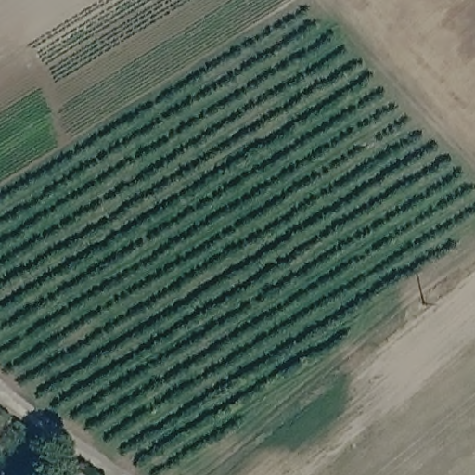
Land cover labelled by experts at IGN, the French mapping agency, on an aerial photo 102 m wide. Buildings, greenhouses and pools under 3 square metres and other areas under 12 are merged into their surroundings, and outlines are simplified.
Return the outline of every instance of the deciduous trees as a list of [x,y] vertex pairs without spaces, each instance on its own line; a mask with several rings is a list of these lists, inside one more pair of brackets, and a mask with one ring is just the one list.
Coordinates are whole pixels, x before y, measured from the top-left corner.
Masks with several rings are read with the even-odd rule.
[[221,237],[236,232],[239,226],[260,217],[297,189],[314,182],[315,178],[325,176],[334,167],[353,158],[354,154],[362,152],[364,147],[354,145],[330,161],[323,169],[317,169],[295,180],[275,197],[265,200],[262,206],[241,215],[232,225],[225,226],[221,232],[208,237],[197,247],[187,250],[186,254],[178,254],[174,260],[163,263],[143,280],[122,289],[121,293],[115,293],[104,304],[85,312],[78,319],[71,321],[67,327],[35,343],[32,349],[24,351],[15,360],[6,362],[2,371],[7,373],[13,367],[24,364],[52,343],[58,343],[76,328],[82,327],[83,323],[96,317],[102,310],[108,310],[113,304],[130,297],[137,289],[145,288],[160,276],[167,275],[180,263],[199,256],[200,252],[210,249]]
[[245,95],[269,76],[284,71],[293,61],[312,54],[319,46],[327,43],[334,30],[328,28],[312,45],[291,52],[289,56],[260,72],[245,85],[215,100],[208,108],[200,109],[197,115],[189,117],[187,121],[180,122],[163,137],[137,148],[135,154],[122,158],[106,171],[87,180],[83,186],[72,189],[71,193],[54,200],[50,206],[33,213],[30,219],[22,221],[13,230],[0,234],[0,245],[20,236],[26,228],[41,221],[48,213],[56,212],[59,206],[80,197],[95,186],[100,186],[109,176],[119,173],[126,165],[165,145],[174,135],[182,134],[195,122],[202,121],[217,109]]
[[195,71],[161,89],[158,95],[137,104],[117,119],[104,124],[100,130],[85,137],[80,143],[74,143],[74,147],[65,150],[59,152],[56,158],[43,163],[41,167],[20,176],[13,184],[7,184],[0,189],[0,200],[6,199],[7,195],[11,195],[20,187],[30,184],[41,174],[48,173],[59,163],[91,147],[100,137],[108,135],[121,124],[134,121],[143,111],[152,108],[154,104],[160,104],[163,98],[180,91],[204,72],[212,71],[213,67],[217,67],[226,59],[234,58],[243,48],[254,45],[256,41],[282,28],[289,20],[297,19],[306,11],[308,6],[299,6],[295,11],[275,20],[273,24],[267,24],[262,32],[245,37],[243,41],[230,46],[215,58],[204,61]]
[[178,299],[158,314],[150,315],[145,321],[137,323],[117,338],[91,351],[82,362],[45,380],[37,386],[35,397],[41,397],[46,390],[82,371],[102,354],[117,349],[124,341],[132,340],[143,330],[160,323],[161,319],[178,312],[182,306],[195,301],[204,291],[217,286],[237,271],[249,267],[250,263],[258,262],[267,252],[278,249],[297,232],[315,225],[328,213],[340,210],[341,206],[360,197],[369,187],[380,184],[388,174],[395,173],[401,167],[406,167],[408,163],[421,158],[436,145],[436,141],[427,141],[414,152],[408,152],[401,160],[395,160],[388,167],[384,167],[377,176],[354,187],[353,191],[349,191],[336,202],[323,206],[299,225],[291,226],[282,236],[263,245],[262,249],[256,250],[254,254],[234,265],[228,265],[223,273],[206,280],[191,293],[187,293],[184,299]]
[[343,215],[340,219],[334,219],[308,241],[293,247],[286,256],[276,258],[275,262],[265,263],[262,269],[258,269],[247,280],[239,282],[228,291],[223,291],[212,301],[204,302],[191,314],[178,319],[171,327],[137,345],[137,349],[132,349],[130,353],[117,360],[111,360],[108,366],[96,369],[87,379],[72,384],[67,392],[59,393],[58,397],[50,401],[52,406],[59,406],[63,401],[71,399],[76,393],[95,384],[100,377],[111,373],[115,367],[124,366],[135,356],[152,349],[154,343],[173,336],[176,330],[186,327],[187,323],[195,321],[200,314],[206,314],[208,310],[223,304],[239,291],[250,288],[254,282],[269,275],[280,265],[295,260],[301,252],[310,249],[328,234],[332,234],[336,228],[347,225],[362,213],[369,212],[373,206],[392,197],[399,189],[414,184],[429,173],[434,173],[442,163],[451,160],[451,156],[445,154],[438,156],[417,173],[397,180],[379,195],[354,208],[353,212]]
[[124,373],[106,388],[98,390],[83,403],[74,406],[71,410],[72,419],[83,414],[93,404],[100,403],[109,393],[115,392],[117,388],[145,373],[150,367],[158,366],[169,356],[178,354],[182,349],[202,340],[213,328],[225,325],[226,321],[249,310],[249,301],[243,301],[237,308],[232,308],[221,317],[208,321],[204,327],[176,341],[173,347],[161,351],[154,358],[148,358],[145,364]]
[[451,184],[460,176],[460,167],[455,167],[451,173],[425,187],[421,193],[404,200],[401,206],[395,206],[379,219],[373,219],[369,225],[358,228],[351,236],[338,239],[338,243],[334,243],[330,249],[321,252],[310,262],[302,263],[297,271],[291,271],[273,284],[263,286],[256,295],[256,301],[263,301],[269,293],[284,288],[293,278],[306,275],[310,269],[325,262],[343,247],[377,230],[380,225],[388,223],[399,213],[410,210],[417,202],[427,199],[434,191]]
[[354,288],[356,284],[366,280],[367,276],[379,273],[386,265],[403,258],[408,250],[417,249],[425,241],[449,230],[451,226],[462,223],[471,213],[475,215],[475,204],[460,210],[447,221],[423,232],[416,239],[406,241],[371,269],[347,280],[338,288],[330,289],[319,299],[276,323],[275,327],[258,334],[249,343],[237,347],[223,360],[206,367],[199,375],[176,384],[154,401],[137,408],[130,416],[124,417],[117,425],[106,430],[102,438],[104,442],[115,438],[121,430],[134,425],[139,417],[152,412],[160,404],[171,401],[187,388],[199,384],[200,380],[208,379],[215,371],[232,364],[241,354],[249,353],[262,341],[273,338],[286,327],[291,327],[304,315],[314,312],[315,308],[327,304],[343,291]]
[[243,249],[258,237],[275,230],[276,226],[284,225],[291,217],[306,210],[315,200],[336,191],[338,187],[345,186],[358,174],[373,169],[375,163],[388,158],[395,150],[410,145],[421,135],[421,130],[410,132],[399,141],[382,148],[371,158],[362,161],[338,180],[330,182],[327,187],[321,187],[319,191],[304,197],[299,204],[291,206],[288,212],[276,217],[263,228],[228,243],[221,252],[213,254],[200,265],[195,265],[193,269],[178,276],[169,286],[156,291],[145,301],[130,306],[124,314],[119,314],[106,321],[104,325],[93,328],[85,338],[72,343],[71,347],[48,356],[45,362],[19,375],[19,384],[32,380],[48,367],[58,364],[78,349],[85,347],[87,343],[91,343],[100,334],[117,327],[119,323],[152,306],[165,295],[182,288],[191,278],[210,269],[215,263],[225,260],[234,250]]
[[317,145],[312,152],[302,156],[301,160],[289,163],[288,167],[284,167],[269,180],[263,180],[260,184],[250,187],[241,197],[208,213],[204,219],[193,223],[184,232],[169,237],[158,249],[152,250],[147,258],[137,260],[130,267],[122,269],[121,273],[109,276],[100,284],[83,291],[82,295],[74,297],[56,312],[37,319],[32,327],[26,328],[24,334],[13,336],[11,340],[0,345],[0,354],[13,349],[17,343],[35,334],[39,328],[58,321],[59,317],[69,314],[72,308],[95,297],[96,293],[119,284],[126,276],[154,262],[165,250],[193,236],[217,217],[236,210],[237,206],[243,206],[267,187],[275,186],[276,182],[284,180],[288,174],[321,156],[328,148],[336,147],[345,137],[353,134],[353,128],[347,126],[330,141]]
[[382,137],[392,134],[399,126],[406,124],[408,117],[403,115],[379,130],[375,134],[375,139],[379,141]]
[[328,61],[338,58],[345,52],[345,46],[336,46],[332,52],[325,54],[304,71],[295,72],[288,80],[263,91],[262,95],[252,98],[230,115],[200,130],[195,137],[173,148],[167,156],[161,156],[160,160],[150,163],[130,180],[119,182],[113,189],[109,189],[108,193],[104,193],[104,197],[83,204],[78,210],[59,219],[58,223],[48,226],[39,234],[33,234],[30,239],[20,243],[19,247],[13,247],[0,256],[0,267],[13,260],[17,254],[32,249],[35,243],[71,225],[78,217],[82,217],[83,213],[93,212],[102,202],[117,197],[122,189],[145,180],[165,163],[171,163],[184,150],[199,145],[208,135],[215,134],[226,124],[236,121],[249,109],[260,106],[271,96],[282,93],[289,85],[301,82],[302,78],[321,71]]
[[180,223],[189,213],[204,208],[206,204],[221,197],[228,189],[239,186],[250,176],[265,171],[280,158],[288,156],[289,152],[302,147],[315,135],[325,132],[336,122],[343,121],[356,109],[364,108],[384,93],[382,87],[373,89],[358,102],[349,104],[347,108],[341,109],[340,113],[328,117],[327,121],[301,134],[301,137],[297,137],[288,147],[276,150],[269,158],[252,165],[247,171],[237,174],[223,186],[217,187],[212,195],[202,197],[197,204],[186,206],[174,217],[169,217],[167,221],[161,221],[154,228],[150,228],[147,230],[148,239],[158,236],[165,228]]
[[308,286],[293,291],[273,308],[254,315],[243,325],[230,330],[219,340],[212,341],[206,349],[189,356],[160,377],[152,377],[143,386],[135,388],[134,392],[122,395],[121,399],[109,404],[98,416],[89,417],[83,427],[89,429],[102,423],[111,414],[119,412],[124,404],[134,403],[137,397],[173,379],[187,367],[199,364],[200,360],[219,351],[228,341],[236,340],[243,332],[260,325],[265,319],[288,308],[291,302],[299,301],[321,284],[340,275],[353,263],[364,260],[373,250],[390,243],[393,237],[408,232],[412,226],[421,223],[432,213],[440,212],[442,208],[464,197],[466,193],[475,193],[475,180],[468,184],[462,184],[453,193],[429,206],[427,210],[417,213],[414,219],[406,221],[404,225],[395,226],[386,236],[375,239],[371,247],[366,247],[362,254],[347,256],[328,273],[319,276]]
[[249,145],[237,150],[236,154],[215,165],[212,171],[200,174],[200,178],[193,180],[189,186],[176,191],[161,202],[156,202],[147,212],[135,215],[126,225],[109,232],[102,241],[87,245],[78,254],[65,258],[56,267],[48,269],[32,282],[15,289],[0,301],[0,308],[7,306],[9,302],[17,301],[32,289],[39,288],[52,276],[61,275],[72,263],[80,262],[96,250],[108,247],[115,237],[122,236],[135,226],[145,223],[152,215],[169,208],[176,200],[184,199],[189,193],[197,191],[208,180],[212,180],[213,176],[230,169],[237,161],[245,160],[252,150],[271,145],[278,137],[288,134],[295,124],[310,119],[321,109],[338,102],[341,96],[351,93],[356,87],[367,82],[371,76],[369,71],[360,72],[358,78],[336,89],[327,98],[319,100],[312,108],[306,108],[299,115],[291,117],[275,132],[265,135],[262,139],[254,139]]
[[371,122],[379,121],[382,115],[390,113],[395,108],[393,104],[375,109],[366,119],[358,121],[358,128],[362,130]]
[[276,375],[299,366],[302,358],[310,358],[340,345],[349,332],[347,328],[336,330],[328,340],[299,351],[267,375],[254,380],[247,388],[230,395],[223,403],[204,410],[193,421],[187,421],[186,425],[169,432],[158,442],[152,443],[148,449],[135,453],[134,466],[139,466],[150,456],[160,455],[161,449],[167,443],[174,442],[180,434],[197,429],[208,417],[217,416],[219,412],[230,408],[239,399],[260,392],[263,384],[275,379]]
[[182,178],[184,174],[199,167],[200,163],[210,160],[217,152],[234,145],[243,135],[262,128],[265,122],[293,108],[304,96],[312,95],[328,83],[336,82],[345,72],[360,65],[362,59],[360,58],[343,63],[336,71],[330,72],[327,78],[310,83],[306,89],[289,96],[284,104],[269,109],[256,121],[241,126],[236,134],[225,137],[217,145],[202,152],[195,160],[187,161],[186,165],[180,165],[174,173],[163,176],[148,189],[143,189],[130,199],[124,200],[119,208],[115,208],[106,217],[85,226],[72,236],[65,237],[63,241],[50,245],[30,262],[13,267],[6,275],[0,276],[0,289],[13,278],[26,271],[32,271],[33,267],[45,262],[52,254],[71,247],[78,239],[89,236],[91,232],[108,223],[113,223],[119,215],[135,206],[137,202],[147,199],[163,187],[169,186],[174,180]]
[[41,436],[33,440],[30,451],[37,453],[39,458],[37,462],[33,462],[35,469],[32,475],[106,475],[89,460],[74,453],[74,443],[67,432]]
[[22,317],[45,306],[46,302],[54,301],[63,291],[74,288],[85,278],[95,275],[96,271],[102,271],[109,263],[124,258],[128,252],[141,247],[143,241],[130,241],[128,245],[108,254],[106,258],[89,265],[82,273],[72,276],[71,280],[61,282],[58,288],[39,297],[37,301],[26,304],[7,319],[2,319],[0,323],[0,330],[11,327]]
[[4,404],[0,404],[0,466],[6,464],[7,458],[11,458],[20,443],[24,442],[26,432],[24,419],[15,416]]
[[228,430],[234,429],[243,419],[239,414],[234,414],[208,434],[202,434],[193,442],[184,445],[165,462],[152,466],[150,475],[160,475],[161,471],[173,468],[182,458],[197,451],[202,445],[221,440]]
[[217,87],[234,80],[254,63],[273,56],[276,50],[280,50],[282,46],[288,45],[289,41],[315,26],[314,19],[310,19],[304,20],[301,26],[286,33],[280,41],[276,41],[269,48],[245,59],[236,69],[204,85],[195,95],[187,95],[171,108],[150,119],[147,124],[143,124],[141,128],[135,128],[122,139],[109,143],[108,148],[100,150],[93,158],[80,161],[69,173],[45,186],[45,189],[33,195],[32,199],[17,204],[9,212],[0,215],[0,223],[6,223],[9,219],[17,217],[20,212],[32,208],[59,186],[67,184],[74,176],[93,167],[109,154],[117,152],[119,148],[126,147],[135,137],[148,134],[154,126],[187,108],[191,102],[212,93]]
[[204,403],[212,393],[223,392],[237,379],[275,360],[276,356],[280,356],[291,345],[301,343],[317,330],[327,327],[332,321],[351,312],[358,304],[371,299],[388,284],[399,282],[404,276],[414,275],[421,265],[434,258],[440,258],[447,250],[453,249],[456,243],[453,239],[447,239],[442,245],[427,250],[414,262],[382,276],[366,291],[356,293],[351,301],[345,302],[332,314],[325,315],[323,319],[302,328],[297,336],[291,336],[288,340],[278,343],[269,353],[258,356],[245,366],[237,367],[226,379],[215,382],[200,395],[195,395],[173,414],[139,430],[130,440],[121,443],[119,453],[124,455],[135,443],[143,442],[152,432],[163,429],[171,421],[176,421],[178,417],[187,414],[197,404]]

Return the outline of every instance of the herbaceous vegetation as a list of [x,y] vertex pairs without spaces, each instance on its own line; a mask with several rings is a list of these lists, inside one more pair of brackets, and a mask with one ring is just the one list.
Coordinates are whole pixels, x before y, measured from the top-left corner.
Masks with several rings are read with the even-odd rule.
[[[169,237],[184,232],[193,223],[204,219],[208,213],[241,197],[250,187],[260,184],[263,180],[269,180],[284,167],[288,167],[289,163],[301,160],[302,156],[312,152],[317,145],[330,141],[347,126],[353,128],[353,134],[345,137],[336,147],[328,148],[321,156],[288,174],[284,180],[276,182],[275,186],[267,187],[243,206],[237,206],[236,210],[217,217],[193,236],[165,250],[154,262],[126,276],[119,284],[96,293],[95,297],[72,308],[69,314],[59,317],[58,321],[39,328],[35,334],[17,343],[13,349],[0,354],[0,379],[4,379],[17,395],[26,403],[30,403],[33,410],[46,410],[58,414],[63,421],[63,429],[67,432],[74,443],[83,440],[95,445],[96,449],[102,455],[108,456],[113,464],[121,466],[126,473],[132,475],[150,475],[152,466],[165,462],[184,445],[193,442],[202,434],[208,434],[234,414],[230,408],[219,412],[217,416],[208,417],[197,429],[180,434],[174,442],[167,443],[161,449],[160,455],[150,456],[139,466],[134,466],[135,453],[148,449],[152,443],[158,442],[169,432],[186,425],[187,421],[193,421],[204,410],[223,403],[230,395],[247,388],[254,380],[267,375],[299,351],[328,340],[336,330],[347,328],[349,332],[354,323],[354,315],[351,312],[332,321],[327,327],[317,330],[301,343],[291,345],[280,356],[276,356],[275,360],[237,379],[223,392],[212,393],[204,403],[197,404],[187,414],[178,417],[176,421],[171,421],[163,429],[152,432],[143,442],[135,443],[124,455],[119,453],[121,443],[130,440],[139,430],[173,414],[195,395],[200,395],[215,382],[226,379],[237,367],[245,366],[258,356],[269,353],[278,343],[288,340],[291,336],[297,336],[302,328],[323,319],[325,315],[332,314],[345,302],[351,301],[356,293],[366,291],[382,276],[414,262],[427,250],[442,245],[447,239],[453,239],[456,243],[460,239],[468,241],[475,236],[475,215],[471,213],[462,223],[451,226],[449,230],[425,241],[417,249],[408,250],[403,258],[386,265],[379,273],[367,276],[366,280],[356,284],[354,288],[343,291],[327,304],[315,308],[314,312],[304,315],[291,327],[286,327],[273,338],[262,341],[249,353],[241,354],[232,364],[215,371],[208,379],[200,380],[199,384],[187,388],[171,401],[160,404],[152,412],[139,417],[134,425],[121,430],[115,438],[104,442],[102,438],[106,430],[117,425],[124,417],[130,416],[137,408],[154,401],[176,384],[199,375],[206,367],[223,360],[237,347],[249,343],[258,334],[275,327],[276,323],[319,299],[330,289],[338,288],[347,280],[371,269],[406,241],[416,239],[423,232],[447,221],[460,210],[475,204],[475,193],[466,193],[464,197],[442,208],[440,212],[432,213],[421,223],[412,226],[408,232],[393,237],[390,243],[373,250],[364,260],[353,263],[340,275],[321,284],[299,301],[291,302],[288,308],[265,319],[260,325],[243,332],[236,340],[228,341],[219,351],[200,360],[199,364],[187,367],[173,379],[137,397],[134,403],[124,404],[119,412],[111,414],[102,423],[89,429],[83,427],[89,417],[98,416],[109,404],[121,399],[122,395],[134,392],[135,388],[143,386],[152,377],[160,377],[189,356],[206,349],[212,341],[219,340],[230,330],[243,325],[254,315],[273,308],[293,291],[308,286],[319,276],[328,273],[347,256],[362,254],[366,247],[371,247],[375,239],[386,236],[395,226],[404,225],[406,221],[414,219],[417,213],[427,210],[429,206],[453,193],[462,184],[468,184],[460,176],[451,184],[434,191],[427,199],[417,202],[410,210],[399,213],[388,223],[380,225],[377,230],[343,247],[325,262],[310,269],[306,275],[293,278],[284,288],[269,293],[263,301],[256,301],[256,295],[263,286],[273,284],[291,271],[297,271],[302,263],[310,262],[321,252],[330,249],[334,243],[338,243],[338,239],[351,236],[358,228],[369,225],[373,219],[379,219],[395,206],[401,206],[404,200],[421,193],[425,187],[451,173],[455,167],[460,167],[460,160],[451,156],[451,160],[442,163],[434,173],[429,173],[414,184],[399,189],[392,197],[373,206],[369,212],[362,213],[347,225],[336,228],[332,234],[328,234],[310,249],[301,252],[295,260],[280,265],[269,275],[254,282],[250,288],[239,291],[223,304],[208,310],[206,314],[200,314],[195,321],[187,323],[186,327],[176,330],[173,336],[154,343],[152,349],[135,356],[124,366],[115,367],[111,373],[100,377],[95,384],[76,393],[71,399],[63,401],[59,406],[52,406],[50,401],[58,397],[59,393],[67,392],[72,384],[87,379],[96,369],[108,366],[111,360],[117,360],[130,353],[132,349],[137,349],[137,345],[171,327],[178,319],[191,314],[204,302],[212,301],[223,291],[228,291],[239,282],[247,280],[258,269],[262,269],[265,263],[275,262],[276,258],[286,256],[293,247],[308,241],[334,219],[340,219],[343,215],[353,212],[354,208],[379,195],[397,180],[417,173],[438,156],[445,154],[442,148],[436,145],[421,158],[408,163],[406,167],[401,167],[395,173],[388,174],[380,184],[369,187],[360,197],[341,206],[340,210],[328,213],[315,225],[297,232],[278,249],[267,252],[258,262],[250,263],[249,267],[237,271],[217,286],[204,291],[195,301],[182,306],[178,312],[161,319],[160,323],[143,330],[132,340],[124,341],[117,349],[102,354],[82,371],[46,390],[41,397],[35,397],[37,386],[45,380],[82,362],[91,351],[117,338],[137,323],[145,321],[150,315],[158,314],[178,299],[184,299],[187,293],[191,293],[206,280],[223,273],[228,265],[234,265],[254,254],[256,250],[262,249],[263,245],[282,236],[291,226],[299,225],[323,206],[336,202],[349,191],[353,191],[354,187],[377,176],[384,167],[388,167],[395,160],[401,160],[408,152],[414,152],[427,141],[421,135],[410,145],[395,150],[388,158],[375,163],[373,169],[358,174],[345,186],[338,187],[336,191],[315,200],[306,210],[291,217],[284,225],[276,226],[275,230],[258,237],[243,249],[234,250],[225,260],[215,263],[210,269],[191,278],[182,288],[165,295],[152,306],[119,323],[117,327],[100,334],[91,343],[87,343],[85,347],[78,349],[58,364],[48,367],[32,380],[19,384],[19,375],[45,362],[48,356],[71,347],[72,343],[85,338],[93,328],[104,325],[106,321],[119,314],[124,314],[130,306],[145,301],[156,291],[169,286],[178,276],[193,269],[195,265],[200,265],[213,254],[221,252],[228,243],[263,228],[276,217],[288,212],[291,206],[299,204],[304,197],[319,191],[321,187],[327,187],[330,182],[338,180],[362,161],[371,158],[382,148],[399,141],[410,132],[406,124],[399,126],[392,134],[382,137],[379,141],[375,139],[375,134],[379,130],[403,115],[395,108],[390,113],[382,115],[379,121],[371,122],[362,130],[358,128],[358,121],[366,119],[375,109],[393,104],[392,98],[384,93],[364,108],[356,109],[343,121],[336,122],[325,132],[315,135],[302,147],[289,152],[288,156],[280,158],[265,171],[250,176],[239,186],[228,189],[221,197],[206,204],[204,208],[189,213],[180,223],[165,228],[158,236],[148,239],[147,230],[150,228],[154,228],[161,221],[167,221],[169,217],[174,217],[186,206],[197,204],[202,197],[212,195],[217,187],[223,186],[237,174],[247,171],[252,165],[269,158],[276,150],[288,147],[297,137],[301,137],[301,134],[327,121],[328,117],[340,113],[341,109],[347,108],[349,104],[358,102],[373,89],[367,82],[356,87],[351,93],[341,96],[338,102],[321,109],[310,119],[295,124],[288,134],[278,137],[271,145],[252,150],[245,160],[237,161],[230,169],[213,176],[212,180],[208,180],[197,191],[189,193],[184,199],[176,200],[169,208],[152,215],[145,223],[135,226],[122,236],[115,237],[108,247],[96,250],[80,262],[72,263],[61,275],[52,276],[39,288],[32,289],[17,301],[9,302],[7,306],[0,308],[0,323],[2,319],[7,319],[26,304],[37,301],[39,297],[58,288],[61,282],[71,280],[72,276],[82,273],[89,265],[106,258],[108,254],[128,245],[130,241],[143,241],[141,247],[128,252],[124,258],[109,263],[102,271],[96,271],[95,275],[85,278],[74,288],[63,291],[54,301],[46,302],[45,306],[22,317],[11,327],[0,330],[0,345],[11,340],[13,336],[24,334],[26,328],[32,327],[37,319],[56,312],[74,297],[82,295],[83,291],[100,284],[109,276],[121,273],[122,269],[130,267],[137,260],[147,258],[152,250],[158,249]],[[186,254],[187,250],[197,247],[208,237],[221,232],[225,226],[232,225],[241,215],[262,206],[265,200],[275,197],[295,180],[317,169],[323,169],[330,161],[354,145],[364,147],[362,152],[354,154],[353,158],[334,167],[325,176],[315,178],[314,182],[297,189],[260,217],[239,226],[236,232],[221,237],[210,249],[200,252],[199,256],[180,263],[167,275],[160,276],[145,288],[137,289],[130,297],[113,304],[108,310],[102,310],[96,317],[83,323],[82,327],[76,328],[58,343],[52,343],[24,364],[13,367],[7,373],[2,371],[6,362],[15,360],[24,351],[32,349],[35,343],[67,327],[71,321],[78,319],[85,312],[104,304],[115,293],[121,293],[122,289],[143,280],[163,263],[174,260],[178,254]],[[154,358],[161,351],[173,347],[176,341],[204,327],[208,321],[221,317],[232,308],[237,308],[243,301],[249,301],[249,310],[226,321],[225,325],[213,328],[202,340],[182,349],[178,354],[169,356],[158,366],[150,367],[145,373],[117,388],[115,392],[109,393],[100,403],[93,404],[83,414],[72,419],[71,410],[74,406],[83,403],[98,390],[106,388],[124,373],[145,364],[148,358]]]
[[163,137],[180,122],[187,121],[189,117],[197,115],[200,109],[208,108],[215,100],[245,85],[260,72],[289,56],[291,52],[312,45],[328,28],[334,30],[327,43],[319,46],[312,54],[293,61],[284,71],[269,76],[245,95],[217,109],[202,121],[195,122],[182,134],[174,135],[165,145],[126,165],[119,173],[109,176],[100,186],[95,186],[80,197],[59,206],[56,212],[48,213],[41,221],[26,228],[20,236],[0,245],[0,256],[13,247],[19,247],[20,243],[30,239],[33,234],[39,234],[48,226],[58,223],[59,219],[78,210],[83,204],[104,197],[104,193],[108,193],[109,189],[113,189],[119,182],[130,180],[150,163],[160,160],[161,156],[167,156],[173,148],[195,137],[200,130],[230,115],[252,98],[262,95],[263,91],[288,80],[295,72],[304,71],[325,54],[332,52],[336,46],[345,46],[345,52],[338,58],[328,61],[321,71],[302,78],[301,82],[289,85],[282,93],[271,96],[260,106],[249,109],[236,121],[226,124],[215,134],[208,135],[199,145],[184,150],[171,163],[165,163],[145,180],[122,189],[117,197],[102,202],[93,212],[83,213],[82,217],[78,217],[71,225],[35,243],[32,249],[17,254],[13,260],[0,267],[0,276],[6,275],[13,267],[30,262],[50,245],[63,241],[65,237],[72,236],[85,226],[106,217],[115,208],[119,208],[124,200],[130,199],[143,189],[148,189],[163,176],[174,173],[180,165],[186,165],[187,161],[195,160],[202,152],[217,145],[225,137],[236,134],[241,126],[256,121],[269,109],[284,104],[289,96],[306,89],[310,83],[327,78],[330,72],[336,71],[343,63],[360,58],[356,45],[349,43],[347,33],[341,30],[341,22],[314,19],[315,26],[289,41],[288,45],[282,46],[280,50],[276,50],[273,56],[254,63],[234,80],[217,87],[212,93],[191,102],[187,108],[154,126],[148,134],[135,137],[126,147],[119,148],[117,152],[109,154],[93,167],[74,176],[67,184],[59,186],[32,208],[20,212],[17,217],[9,219],[6,223],[0,223],[0,234],[13,230],[22,221],[30,219],[33,213],[50,206],[54,200],[71,193],[72,189],[83,186],[87,180],[106,171],[122,158],[135,154],[137,148]]
[[37,453],[30,451],[33,440],[26,432],[24,442],[20,443],[11,458],[7,458],[6,464],[0,466],[0,475],[32,475],[35,469],[33,462],[37,462],[39,458]]
[[6,199],[0,200],[0,215],[9,212],[17,204],[32,199],[33,195],[45,189],[45,186],[69,173],[80,161],[93,158],[100,150],[108,148],[109,143],[122,139],[135,128],[141,128],[143,124],[147,124],[150,119],[171,108],[187,95],[195,95],[204,85],[236,69],[245,59],[269,48],[276,41],[280,41],[286,33],[301,26],[304,20],[310,19],[306,11],[297,19],[289,20],[282,28],[256,41],[254,45],[243,48],[234,58],[226,59],[217,67],[213,67],[212,71],[204,72],[180,91],[163,98],[160,104],[154,104],[152,108],[143,111],[134,121],[121,124],[108,135],[100,137],[91,147],[59,163],[48,173],[41,174],[30,184],[20,187],[11,195],[7,195]]
[[56,267],[65,258],[78,254],[87,245],[102,241],[109,232],[126,225],[135,215],[147,212],[156,202],[161,202],[176,191],[189,186],[193,180],[200,178],[200,174],[212,171],[215,165],[236,154],[237,150],[249,145],[254,139],[262,139],[265,135],[275,132],[291,117],[299,115],[306,108],[312,108],[319,100],[327,98],[336,89],[358,78],[360,72],[369,71],[371,63],[362,59],[360,65],[345,72],[336,82],[328,83],[312,95],[304,96],[293,108],[265,122],[262,128],[243,135],[234,145],[217,152],[210,160],[200,163],[199,167],[184,174],[182,178],[174,180],[169,186],[163,187],[147,199],[137,202],[135,206],[119,215],[113,223],[108,223],[91,232],[89,236],[78,239],[71,247],[52,254],[45,262],[33,267],[32,271],[26,271],[13,278],[0,289],[0,301],[15,289],[32,282],[48,269]]
[[37,158],[26,161],[17,171],[0,178],[0,189],[7,184],[13,184],[20,176],[41,167],[43,163],[56,158],[59,152],[65,150],[56,143]]

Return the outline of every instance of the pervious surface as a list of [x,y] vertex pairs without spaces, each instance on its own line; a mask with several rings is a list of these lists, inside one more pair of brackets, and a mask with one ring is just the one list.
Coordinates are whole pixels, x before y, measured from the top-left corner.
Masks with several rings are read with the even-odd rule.
[[63,429],[63,421],[58,414],[46,410],[33,410],[30,403],[26,403],[17,395],[4,379],[0,379],[0,404],[4,404],[15,416],[24,419],[26,432],[33,440],[41,436],[67,432]]
[[121,466],[113,464],[108,456],[102,455],[96,449],[95,445],[83,440],[74,443],[74,453],[89,460],[106,475],[132,475],[126,473]]

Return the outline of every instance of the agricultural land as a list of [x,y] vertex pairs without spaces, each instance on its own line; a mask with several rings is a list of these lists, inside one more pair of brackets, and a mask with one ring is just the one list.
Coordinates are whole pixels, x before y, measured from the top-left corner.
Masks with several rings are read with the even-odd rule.
[[408,117],[406,124],[410,132],[421,130],[421,135],[427,141],[436,141],[436,145],[442,148],[445,154],[451,156],[460,160],[460,167],[460,176],[468,184],[475,180],[475,0],[0,0],[0,178],[17,171],[26,161],[37,158],[56,143],[65,150],[74,147],[74,143],[80,143],[85,137],[100,130],[104,124],[117,119],[137,104],[158,95],[161,89],[195,71],[204,61],[215,58],[230,46],[243,41],[245,37],[262,32],[267,24],[273,24],[275,20],[295,11],[299,6],[308,6],[306,11],[310,19],[314,19],[341,22],[341,30],[347,33],[349,43],[356,45],[360,58],[362,59],[371,63],[369,71],[371,76],[367,82],[373,89],[382,87],[384,93],[392,98],[393,104],[395,108],[403,115]]
[[299,366],[276,375],[275,379],[263,384],[260,392],[239,399],[230,408],[234,414],[239,414],[243,419],[234,429],[228,430],[221,440],[202,445],[197,451],[182,458],[173,468],[161,471],[160,475],[475,475],[475,236],[468,241],[460,239],[456,243],[453,249],[447,250],[440,258],[434,258],[421,265],[414,275],[404,276],[399,282],[388,284],[371,299],[358,304],[351,312],[354,315],[354,323],[349,332],[340,345],[310,358],[302,358]]

